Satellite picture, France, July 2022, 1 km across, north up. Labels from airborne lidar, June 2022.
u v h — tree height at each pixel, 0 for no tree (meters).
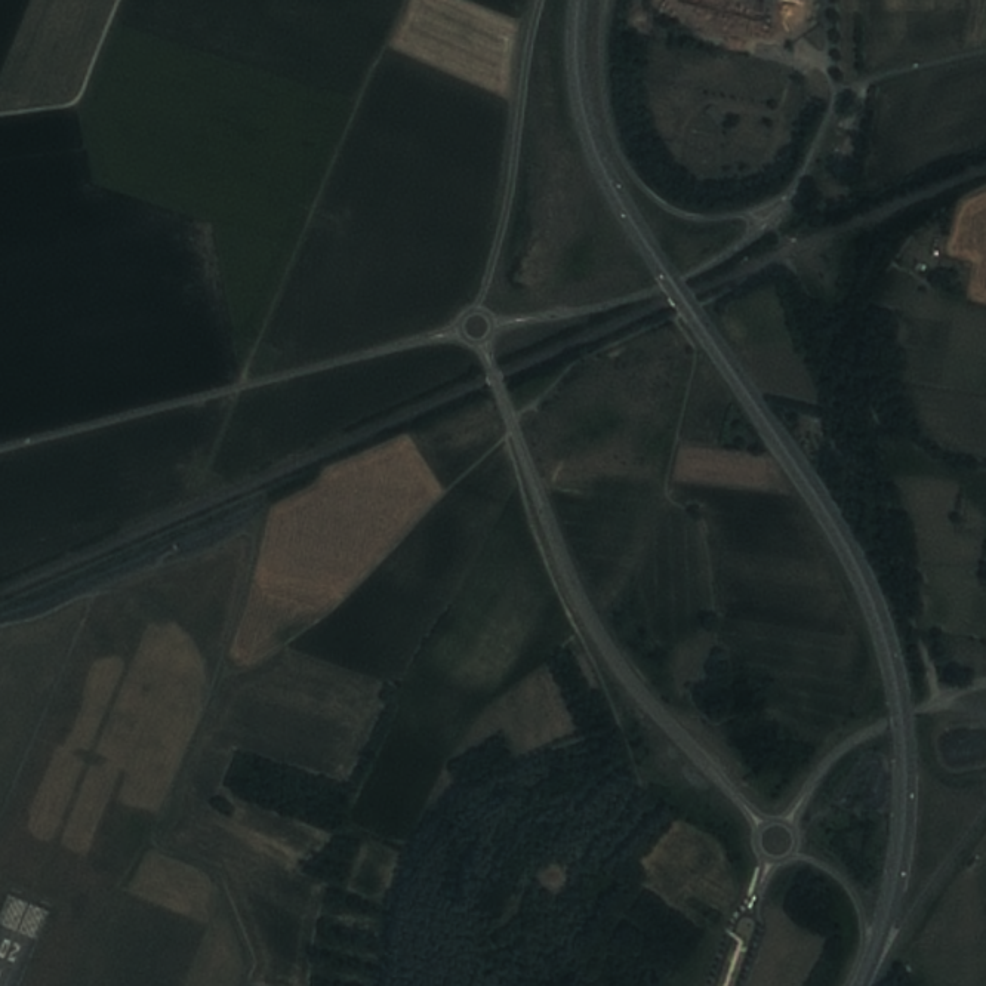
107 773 0
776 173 15
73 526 0
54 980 0
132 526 0
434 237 0
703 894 0
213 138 0
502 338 0
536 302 0
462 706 0
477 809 21
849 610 0
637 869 23
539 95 0
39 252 0
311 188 0
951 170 8
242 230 0
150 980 0
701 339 0
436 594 0
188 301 0
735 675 7
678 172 15
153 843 0
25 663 0
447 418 0
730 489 0
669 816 15
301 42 0
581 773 7
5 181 0
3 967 0
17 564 0
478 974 16
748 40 0
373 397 0
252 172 0
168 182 0
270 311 0
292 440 0
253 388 0
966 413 0
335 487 0
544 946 20
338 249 0
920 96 0
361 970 15
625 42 12
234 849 0
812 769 0
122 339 0
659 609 0
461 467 0
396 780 0
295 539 0
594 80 0
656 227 0
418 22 0
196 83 0
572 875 12
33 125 0
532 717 0
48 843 0
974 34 0
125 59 0
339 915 0
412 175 0
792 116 0
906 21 0
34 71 0
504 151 0
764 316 0
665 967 22
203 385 0
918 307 0
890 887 0
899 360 15
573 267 0
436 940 20
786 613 0
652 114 8
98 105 0
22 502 0
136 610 0
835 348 25
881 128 0
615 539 0
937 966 0
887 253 13
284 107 0
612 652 0
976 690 0
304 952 0
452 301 0
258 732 0
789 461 0
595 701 14
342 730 0
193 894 0
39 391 0
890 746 0
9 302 0
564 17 0
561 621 0
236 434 0
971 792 0
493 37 0
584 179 0
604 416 0
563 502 0
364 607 0
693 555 0
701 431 0
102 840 0
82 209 0
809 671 0
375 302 0
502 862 14
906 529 20
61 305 0
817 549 0
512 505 0
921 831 0
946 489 0
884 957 0
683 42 13
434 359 0
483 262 0
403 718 0
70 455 0
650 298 0
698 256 0
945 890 0
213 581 0
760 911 0
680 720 0
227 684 0
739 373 0
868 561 12
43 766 0
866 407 17
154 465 0
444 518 0
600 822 15
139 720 0
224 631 0
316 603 0
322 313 0
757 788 0
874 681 0
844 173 28
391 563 0
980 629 0
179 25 0
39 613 0
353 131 0
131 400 0
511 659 0
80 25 0
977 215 0
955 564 0
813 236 0
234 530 0
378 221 0
